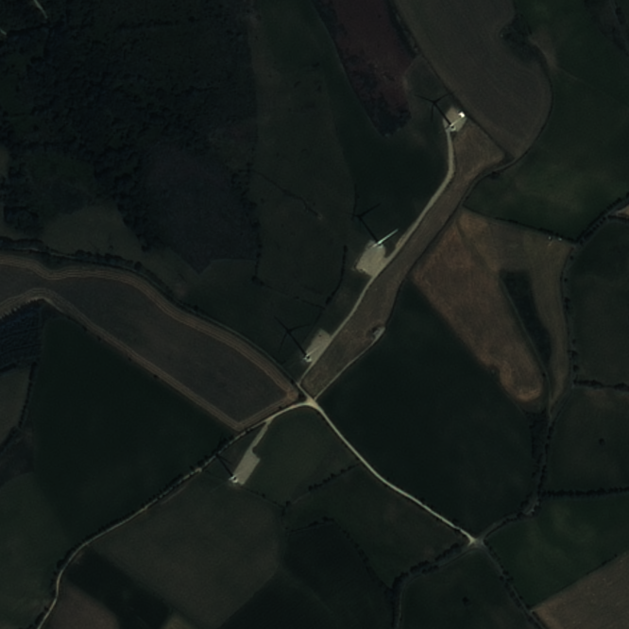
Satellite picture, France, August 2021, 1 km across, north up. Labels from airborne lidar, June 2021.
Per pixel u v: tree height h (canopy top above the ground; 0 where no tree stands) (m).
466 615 0
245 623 0
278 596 0
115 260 9
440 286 0
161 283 7
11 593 0
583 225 0
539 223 0
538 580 0
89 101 16
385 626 0
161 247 8
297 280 0
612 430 0
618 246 0
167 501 0
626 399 0
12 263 0
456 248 0
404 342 0
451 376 0
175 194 0
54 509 0
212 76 0
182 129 15
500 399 0
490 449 0
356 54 0
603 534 0
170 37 0
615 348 0
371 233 0
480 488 0
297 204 0
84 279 0
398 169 0
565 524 0
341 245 0
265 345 0
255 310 0
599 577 0
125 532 0
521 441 0
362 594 0
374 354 0
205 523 0
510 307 0
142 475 0
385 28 0
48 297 0
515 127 0
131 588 0
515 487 0
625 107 0
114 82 13
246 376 0
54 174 0
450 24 0
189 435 0
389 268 0
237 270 0
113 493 0
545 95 0
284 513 8
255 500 0
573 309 12
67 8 7
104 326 0
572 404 0
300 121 0
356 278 0
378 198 0
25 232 10
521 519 11
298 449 0
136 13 0
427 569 11
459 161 0
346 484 0
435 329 0
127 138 8
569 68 0
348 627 0
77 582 0
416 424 0
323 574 0
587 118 0
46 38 25
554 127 0
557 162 0
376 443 0
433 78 0
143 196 7
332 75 0
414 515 0
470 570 0
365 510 0
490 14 0
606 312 0
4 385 0
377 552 0
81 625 0
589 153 0
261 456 0
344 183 0
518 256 0
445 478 0
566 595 0
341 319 0
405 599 0
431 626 0
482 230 0
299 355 0
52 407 0
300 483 0
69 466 0
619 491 12
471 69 0
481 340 0
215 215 0
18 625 0
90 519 0
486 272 0
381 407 0
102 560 0
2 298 0
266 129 0
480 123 0
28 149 11
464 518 0
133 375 0
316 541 0
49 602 0
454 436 0
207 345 0
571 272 0
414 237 0
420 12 0
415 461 0
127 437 0
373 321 0
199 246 0
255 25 0
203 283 0
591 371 0
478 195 0
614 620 0
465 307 0
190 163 0
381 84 0
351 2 0
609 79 0
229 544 0
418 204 0
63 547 0
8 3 26
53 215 0
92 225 0
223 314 0
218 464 0
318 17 0
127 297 0
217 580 0
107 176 20
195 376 0
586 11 0
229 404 0
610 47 0
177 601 0
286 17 0
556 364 0
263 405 0
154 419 0
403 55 0
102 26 0
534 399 0
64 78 19
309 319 0
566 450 0
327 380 0
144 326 0
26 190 7
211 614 0
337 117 0
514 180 0
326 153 0
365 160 0
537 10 0
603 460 0
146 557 0
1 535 0
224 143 0
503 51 0
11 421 0
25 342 14
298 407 0
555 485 0
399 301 0
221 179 0
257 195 0
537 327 0
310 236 0
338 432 0
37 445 0
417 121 0
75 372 0
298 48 0
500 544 0
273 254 0
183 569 0
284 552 0
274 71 0
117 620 0
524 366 0
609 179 0
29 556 0
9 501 0
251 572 0
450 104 0
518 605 12
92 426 0
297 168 0
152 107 8
